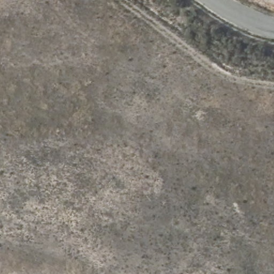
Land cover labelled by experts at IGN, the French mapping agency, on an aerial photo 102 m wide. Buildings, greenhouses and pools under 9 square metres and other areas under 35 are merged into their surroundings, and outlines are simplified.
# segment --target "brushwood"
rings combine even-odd
[[[274,37],[271,39],[234,27],[203,6],[202,9],[185,12],[187,22],[179,24],[182,31],[174,26],[170,29],[223,70],[237,76],[274,82]]]

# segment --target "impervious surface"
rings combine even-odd
[[[195,0],[203,6],[234,27],[271,39],[274,37],[274,0]]]

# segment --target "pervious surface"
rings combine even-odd
[[[258,89],[274,87],[274,82],[237,76],[223,70],[170,29],[136,4],[121,5],[140,19],[146,20],[148,25],[176,44],[187,55],[192,56],[205,70],[220,72],[220,78],[228,78],[228,81],[240,85],[245,83]]]

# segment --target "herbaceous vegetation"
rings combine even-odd
[[[0,0],[0,274],[274,274],[274,87],[258,89],[245,83],[240,85],[228,81],[228,78],[220,78],[220,72],[205,70],[192,56],[187,55],[176,44],[148,25],[146,20],[140,19],[121,5],[136,4],[170,29],[174,26],[182,31],[179,24],[187,22],[185,12],[202,9],[203,6],[195,0]]]

